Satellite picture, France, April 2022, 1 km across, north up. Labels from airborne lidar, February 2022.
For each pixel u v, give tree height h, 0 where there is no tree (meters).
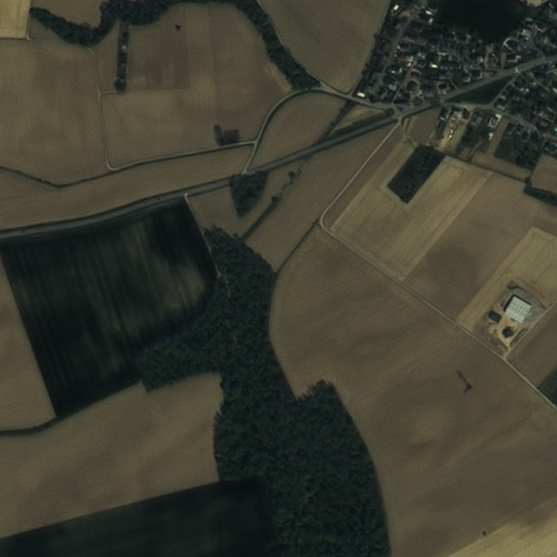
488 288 0
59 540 0
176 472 0
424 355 0
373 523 24
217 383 0
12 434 0
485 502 0
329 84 0
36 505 0
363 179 0
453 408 0
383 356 0
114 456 0
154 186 0
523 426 0
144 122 0
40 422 0
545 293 0
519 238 0
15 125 0
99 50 0
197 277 0
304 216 0
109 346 0
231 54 0
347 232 0
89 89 0
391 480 0
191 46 0
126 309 0
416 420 0
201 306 0
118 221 0
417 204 0
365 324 0
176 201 0
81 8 0
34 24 0
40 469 0
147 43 0
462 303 0
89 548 0
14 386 0
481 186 0
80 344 0
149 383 26
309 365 0
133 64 0
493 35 0
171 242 0
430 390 0
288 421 20
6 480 0
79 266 0
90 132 0
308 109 0
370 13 0
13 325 0
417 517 0
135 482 0
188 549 0
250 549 0
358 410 0
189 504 0
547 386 0
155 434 0
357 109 0
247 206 15
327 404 36
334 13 0
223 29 0
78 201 0
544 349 0
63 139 0
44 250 0
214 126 0
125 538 0
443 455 0
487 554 0
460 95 0
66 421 0
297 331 0
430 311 0
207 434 0
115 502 0
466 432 0
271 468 20
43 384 0
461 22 0
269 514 0
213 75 0
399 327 0
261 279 25
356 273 0
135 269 0
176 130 0
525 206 0
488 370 0
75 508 0
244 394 26
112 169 0
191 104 0
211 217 0
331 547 16
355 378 0
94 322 0
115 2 20
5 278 0
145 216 0
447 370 0
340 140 0
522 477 0
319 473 8
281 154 0
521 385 0
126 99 0
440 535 0
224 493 0
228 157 0
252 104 0
